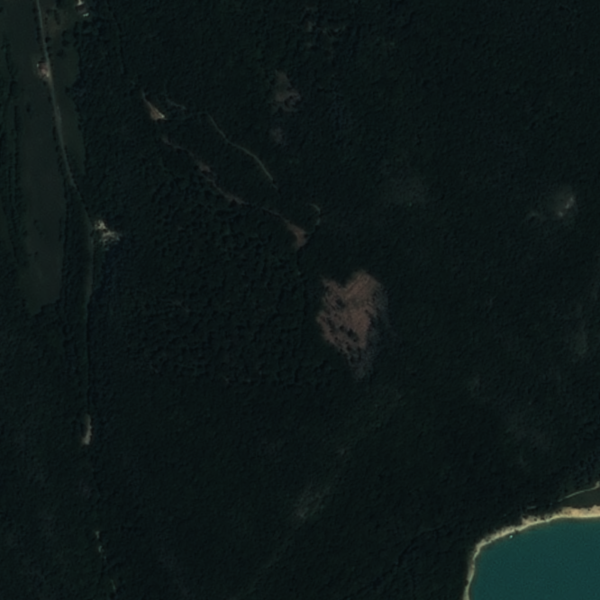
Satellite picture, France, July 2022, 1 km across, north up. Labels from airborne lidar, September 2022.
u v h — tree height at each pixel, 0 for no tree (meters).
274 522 18
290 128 16
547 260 18
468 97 23
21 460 16
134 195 10
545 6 25
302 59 19
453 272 16
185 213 17
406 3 25
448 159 20
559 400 16
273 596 27
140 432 13
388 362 16
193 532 18
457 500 22
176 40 15
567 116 17
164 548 6
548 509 15
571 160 24
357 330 0
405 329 16
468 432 22
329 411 16
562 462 19
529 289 19
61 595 16
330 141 12
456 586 16
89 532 23
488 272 14
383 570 20
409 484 23
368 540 24
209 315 25
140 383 11
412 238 10
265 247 14
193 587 12
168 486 14
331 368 20
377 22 16
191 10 17
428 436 21
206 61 20
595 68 19
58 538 10
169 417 16
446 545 25
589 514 0
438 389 22
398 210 12
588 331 12
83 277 19
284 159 12
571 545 0
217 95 16
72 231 11
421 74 24
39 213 0
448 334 20
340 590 24
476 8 16
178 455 20
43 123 0
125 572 22
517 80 24
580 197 12
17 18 0
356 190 14
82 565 16
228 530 11
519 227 16
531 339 19
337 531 26
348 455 15
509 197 11
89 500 13
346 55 12
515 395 17
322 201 8
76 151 0
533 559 0
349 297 0
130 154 11
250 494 16
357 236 13
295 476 13
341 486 21
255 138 17
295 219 18
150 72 11
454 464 25
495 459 24
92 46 15
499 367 15
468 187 16
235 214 12
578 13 20
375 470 24
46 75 0
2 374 10
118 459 13
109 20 20
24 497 13
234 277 16
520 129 18
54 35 0
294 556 24
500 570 0
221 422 22
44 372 19
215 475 15
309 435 16
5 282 12
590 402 23
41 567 9
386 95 19
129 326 11
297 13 17
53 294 0
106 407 13
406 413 25
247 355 24
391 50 24
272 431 21
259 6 17
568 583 0
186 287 19
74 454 18
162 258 16
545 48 15
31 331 16
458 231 17
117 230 20
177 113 20
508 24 13
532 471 12
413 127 20
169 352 19
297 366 17
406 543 22
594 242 21
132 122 10
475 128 17
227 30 16
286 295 24
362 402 15
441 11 22
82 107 18
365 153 16
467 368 16
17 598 13
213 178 22
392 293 20
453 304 21
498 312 21
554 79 14
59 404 15
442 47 24
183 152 19
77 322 18
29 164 0
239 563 14
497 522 15
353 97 8
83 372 20
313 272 19
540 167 16
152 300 14
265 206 22
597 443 28
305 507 7
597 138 16
